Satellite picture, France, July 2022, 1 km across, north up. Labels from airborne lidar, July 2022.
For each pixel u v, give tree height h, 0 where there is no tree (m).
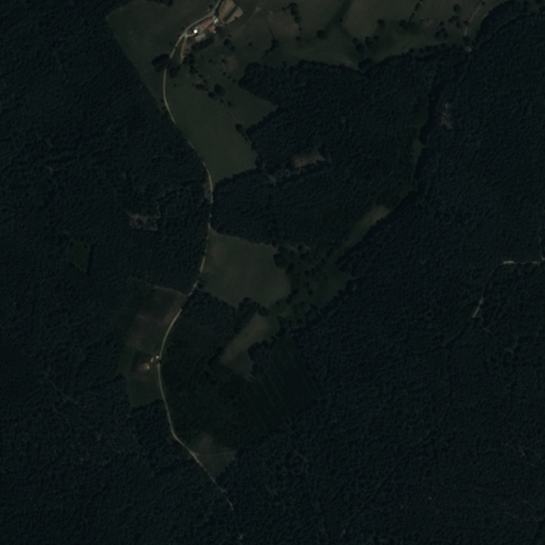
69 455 20
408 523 25
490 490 29
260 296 0
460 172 19
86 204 23
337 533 20
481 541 24
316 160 0
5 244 17
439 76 12
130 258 25
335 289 0
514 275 14
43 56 26
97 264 22
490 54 15
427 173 25
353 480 8
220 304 22
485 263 19
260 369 19
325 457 10
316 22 0
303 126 16
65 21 29
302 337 23
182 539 20
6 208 12
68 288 17
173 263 20
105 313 21
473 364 21
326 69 21
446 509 24
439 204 34
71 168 25
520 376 28
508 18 19
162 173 21
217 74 0
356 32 0
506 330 20
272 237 13
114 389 23
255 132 21
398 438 16
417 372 23
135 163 20
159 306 0
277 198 25
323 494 23
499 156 24
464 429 26
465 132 22
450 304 9
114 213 21
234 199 22
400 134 17
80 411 22
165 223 11
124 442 21
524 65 17
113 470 22
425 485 29
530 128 24
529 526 27
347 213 22
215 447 0
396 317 22
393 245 22
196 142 0
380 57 0
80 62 26
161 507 22
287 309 0
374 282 26
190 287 19
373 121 23
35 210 12
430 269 24
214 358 13
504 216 19
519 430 17
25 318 15
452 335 10
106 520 24
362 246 20
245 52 0
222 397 8
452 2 0
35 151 17
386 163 19
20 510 16
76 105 21
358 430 24
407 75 16
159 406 12
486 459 27
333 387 21
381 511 18
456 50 16
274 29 0
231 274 0
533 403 23
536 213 16
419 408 9
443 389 20
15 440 16
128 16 0
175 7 0
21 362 13
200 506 21
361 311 23
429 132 31
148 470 28
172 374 8
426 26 0
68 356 13
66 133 21
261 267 0
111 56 21
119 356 15
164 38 0
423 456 31
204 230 17
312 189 23
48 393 18
